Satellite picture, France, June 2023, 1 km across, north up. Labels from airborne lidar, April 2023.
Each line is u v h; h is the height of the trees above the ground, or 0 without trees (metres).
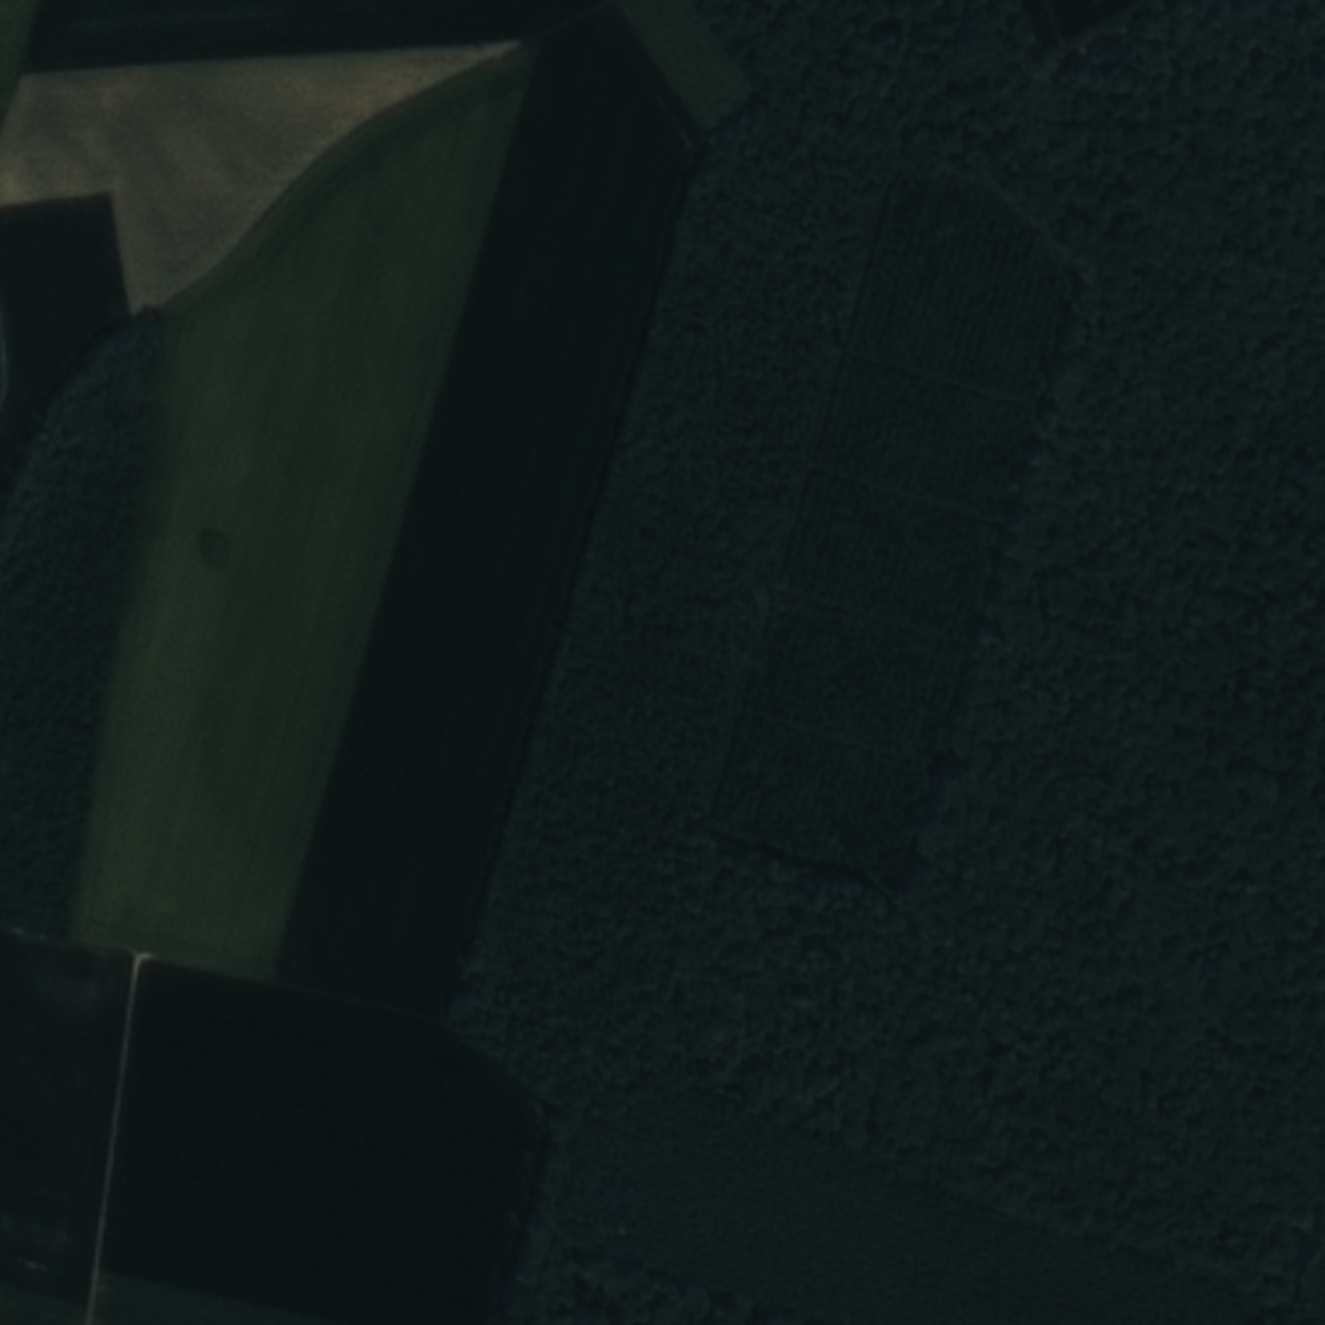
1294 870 21
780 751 6
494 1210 0
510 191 0
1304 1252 27
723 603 26
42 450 14
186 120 0
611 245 0
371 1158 0
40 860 13
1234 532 14
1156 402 19
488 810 0
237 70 0
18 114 0
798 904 24
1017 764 22
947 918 25
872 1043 24
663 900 16
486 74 0
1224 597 29
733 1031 26
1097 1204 26
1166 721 18
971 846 27
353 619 0
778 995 21
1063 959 27
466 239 0
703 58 0
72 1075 0
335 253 0
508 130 0
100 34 0
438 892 0
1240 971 24
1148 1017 23
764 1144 12
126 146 0
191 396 0
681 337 16
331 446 0
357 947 0
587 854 19
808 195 20
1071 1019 24
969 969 19
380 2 0
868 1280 12
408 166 0
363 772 0
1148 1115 20
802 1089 25
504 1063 10
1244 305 26
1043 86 22
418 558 0
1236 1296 11
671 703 21
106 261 0
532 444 0
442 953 0
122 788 0
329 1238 0
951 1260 12
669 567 19
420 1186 0
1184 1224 20
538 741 14
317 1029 0
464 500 0
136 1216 0
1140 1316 11
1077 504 24
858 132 21
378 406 0
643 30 0
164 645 0
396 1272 0
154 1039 0
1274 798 23
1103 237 23
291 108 0
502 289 0
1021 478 26
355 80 0
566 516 0
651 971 24
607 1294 10
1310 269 27
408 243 0
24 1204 0
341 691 0
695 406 17
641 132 0
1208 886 23
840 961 24
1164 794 24
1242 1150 25
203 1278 0
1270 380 23
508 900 16
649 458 17
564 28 0
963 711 23
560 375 0
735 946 25
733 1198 13
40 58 0
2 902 9
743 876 22
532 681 0
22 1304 0
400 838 0
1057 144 24
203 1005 0
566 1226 10
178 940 0
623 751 22
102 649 14
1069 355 22
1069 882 24
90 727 11
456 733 0
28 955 0
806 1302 12
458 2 0
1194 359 23
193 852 0
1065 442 14
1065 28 0
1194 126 22
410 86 0
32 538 14
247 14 0
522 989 18
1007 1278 12
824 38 21
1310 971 26
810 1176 13
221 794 0
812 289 17
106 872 0
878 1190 12
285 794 0
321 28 0
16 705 14
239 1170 0
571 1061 18
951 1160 22
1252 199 24
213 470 0
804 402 11
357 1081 0
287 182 0
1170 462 20
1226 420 23
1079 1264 11
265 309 0
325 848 0
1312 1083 26
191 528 0
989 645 24
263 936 0
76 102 0
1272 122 23
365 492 0
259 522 0
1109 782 24
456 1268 0
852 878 21
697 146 0
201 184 0
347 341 0
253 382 0
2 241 0
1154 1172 23
